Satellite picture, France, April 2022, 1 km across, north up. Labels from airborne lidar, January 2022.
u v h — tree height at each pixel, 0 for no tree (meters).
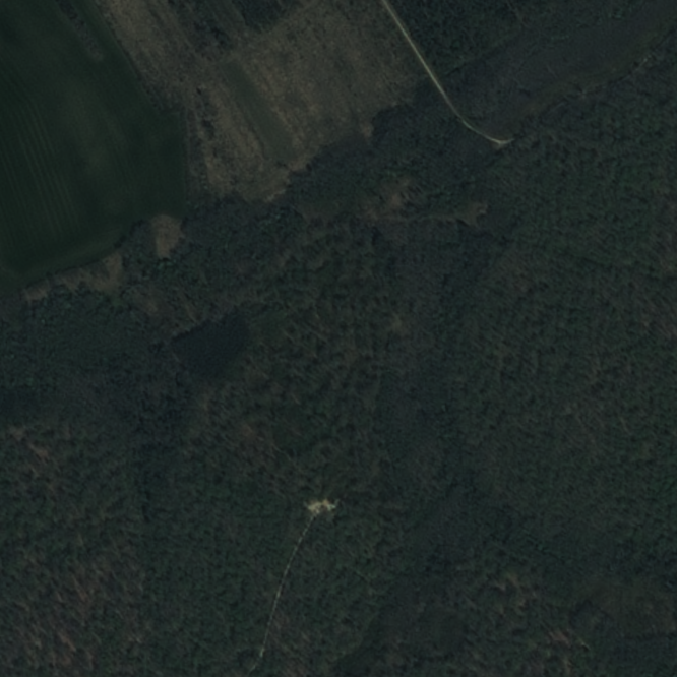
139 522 26
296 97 0
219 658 21
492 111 23
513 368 25
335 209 0
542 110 0
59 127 0
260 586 21
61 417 21
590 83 0
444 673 16
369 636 25
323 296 22
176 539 25
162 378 16
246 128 0
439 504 15
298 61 0
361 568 26
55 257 0
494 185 22
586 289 22
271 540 22
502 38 21
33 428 27
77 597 12
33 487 21
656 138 25
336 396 24
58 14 0
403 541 24
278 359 27
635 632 0
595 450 28
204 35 20
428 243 18
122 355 19
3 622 24
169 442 19
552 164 26
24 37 0
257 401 27
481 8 26
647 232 26
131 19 0
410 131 25
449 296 19
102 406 21
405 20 26
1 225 0
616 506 25
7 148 0
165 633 25
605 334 21
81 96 0
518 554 22
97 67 0
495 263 26
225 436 29
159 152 0
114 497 25
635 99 24
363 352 24
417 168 19
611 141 25
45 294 0
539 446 23
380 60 0
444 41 22
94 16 0
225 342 20
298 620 22
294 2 27
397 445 26
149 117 0
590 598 0
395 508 21
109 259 0
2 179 0
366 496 8
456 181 22
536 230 26
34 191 0
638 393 23
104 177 0
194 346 18
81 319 25
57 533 24
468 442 24
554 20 23
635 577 18
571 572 25
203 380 18
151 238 19
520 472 26
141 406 18
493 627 27
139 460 21
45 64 0
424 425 24
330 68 0
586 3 26
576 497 23
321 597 24
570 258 22
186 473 27
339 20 0
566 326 24
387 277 20
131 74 0
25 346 19
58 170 0
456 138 19
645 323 25
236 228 26
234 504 22
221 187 0
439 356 21
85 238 0
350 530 25
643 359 22
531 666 29
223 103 0
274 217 19
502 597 20
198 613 25
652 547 10
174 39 0
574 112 24
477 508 22
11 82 0
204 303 23
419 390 22
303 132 0
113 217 0
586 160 22
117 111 0
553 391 24
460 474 23
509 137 0
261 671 18
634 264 20
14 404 19
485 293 23
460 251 22
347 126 0
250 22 25
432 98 14
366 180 20
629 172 24
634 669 24
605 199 25
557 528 25
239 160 0
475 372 23
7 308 12
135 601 26
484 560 25
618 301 23
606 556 23
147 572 21
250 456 27
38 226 0
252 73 0
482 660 27
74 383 21
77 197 0
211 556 24
